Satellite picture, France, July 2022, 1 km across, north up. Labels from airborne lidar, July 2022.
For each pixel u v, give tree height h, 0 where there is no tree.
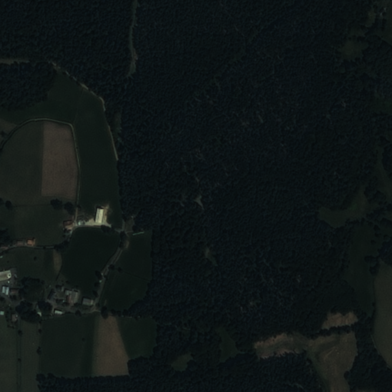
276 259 29
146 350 0
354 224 17
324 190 20
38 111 0
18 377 0
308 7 19
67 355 0
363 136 13
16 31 21
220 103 29
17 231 0
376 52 19
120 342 0
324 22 17
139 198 25
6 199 0
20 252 0
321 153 22
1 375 0
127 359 0
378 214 24
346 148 27
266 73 22
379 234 11
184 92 28
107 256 0
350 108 27
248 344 29
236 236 26
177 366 0
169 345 20
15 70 28
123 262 0
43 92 21
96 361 0
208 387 27
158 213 28
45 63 18
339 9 22
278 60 26
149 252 0
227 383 24
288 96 25
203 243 29
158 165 32
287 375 21
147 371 22
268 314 25
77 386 18
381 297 0
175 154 26
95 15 29
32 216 0
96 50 25
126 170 27
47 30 20
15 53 20
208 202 25
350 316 0
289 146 20
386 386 22
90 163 0
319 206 15
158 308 22
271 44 27
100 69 12
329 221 0
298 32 21
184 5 19
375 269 21
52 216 0
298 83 28
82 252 0
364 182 19
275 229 28
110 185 0
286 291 23
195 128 30
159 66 22
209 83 8
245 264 32
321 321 15
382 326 0
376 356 21
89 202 0
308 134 26
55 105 0
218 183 26
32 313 28
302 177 22
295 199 27
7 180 0
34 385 0
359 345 18
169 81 24
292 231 22
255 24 15
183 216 30
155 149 33
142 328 0
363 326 20
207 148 29
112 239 0
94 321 0
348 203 18
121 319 0
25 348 0
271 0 23
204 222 29
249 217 26
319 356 0
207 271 28
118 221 0
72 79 15
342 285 17
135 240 0
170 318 21
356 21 17
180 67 21
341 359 0
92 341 0
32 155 0
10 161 0
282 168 25
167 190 32
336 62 19
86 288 0
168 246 12
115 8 21
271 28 27
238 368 27
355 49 0
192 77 26
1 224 0
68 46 27
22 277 0
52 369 0
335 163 23
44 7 18
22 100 25
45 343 0
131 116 18
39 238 0
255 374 22
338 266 19
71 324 0
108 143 0
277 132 19
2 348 0
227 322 21
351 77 12
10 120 0
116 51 27
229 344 0
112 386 20
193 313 30
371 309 0
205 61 24
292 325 25
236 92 28
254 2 24
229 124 19
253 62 30
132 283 0
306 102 24
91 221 0
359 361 18
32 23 24
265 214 20
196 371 32
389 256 24
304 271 27
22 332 12
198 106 29
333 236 24
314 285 21
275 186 22
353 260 0
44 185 0
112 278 0
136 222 18
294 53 25
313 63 22
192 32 25
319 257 19
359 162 22
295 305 26
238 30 16
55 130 0
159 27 19
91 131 0
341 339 0
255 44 30
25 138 0
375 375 24
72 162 0
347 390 0
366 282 0
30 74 27
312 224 22
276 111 16
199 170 31
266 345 0
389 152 27
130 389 23
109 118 13
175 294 28
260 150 24
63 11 23
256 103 24
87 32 19
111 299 0
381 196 17
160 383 25
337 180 19
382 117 7
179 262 26
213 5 17
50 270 0
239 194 20
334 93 28
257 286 31
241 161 19
